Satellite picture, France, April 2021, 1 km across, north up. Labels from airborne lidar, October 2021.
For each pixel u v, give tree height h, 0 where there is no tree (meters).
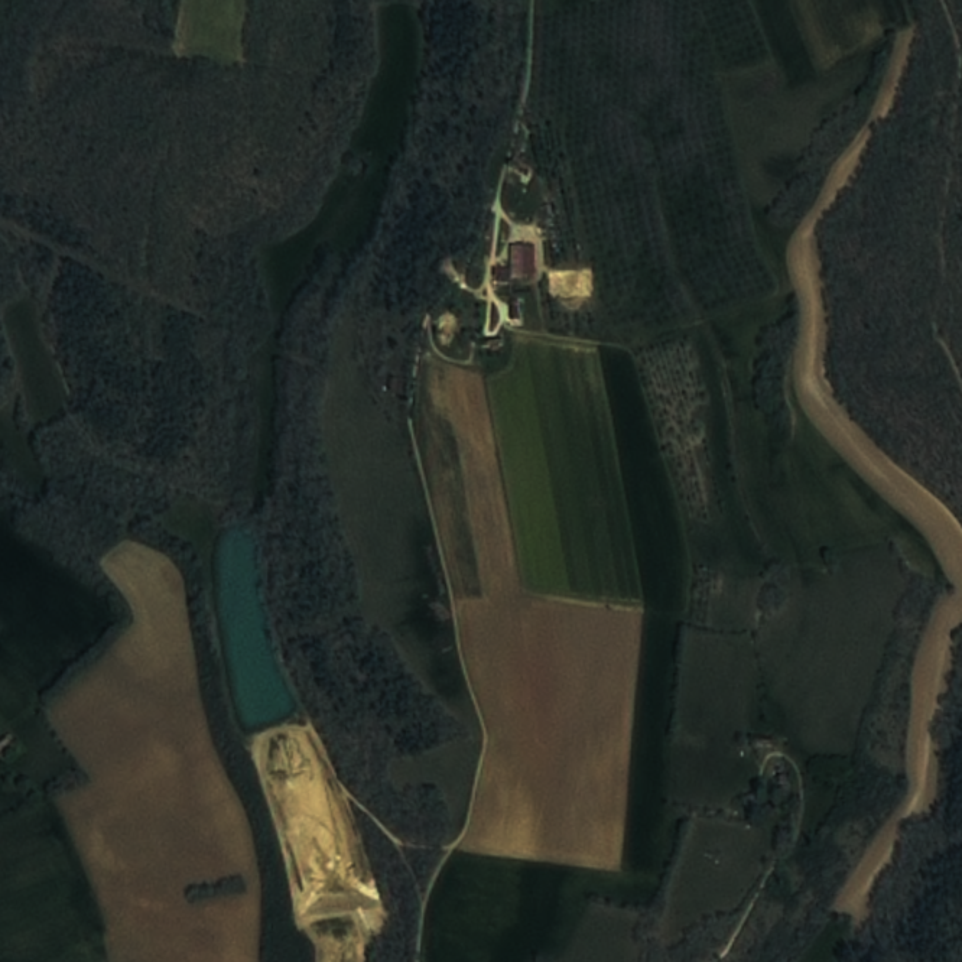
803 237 0
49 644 0
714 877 0
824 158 15
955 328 10
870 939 7
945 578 0
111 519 11
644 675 0
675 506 0
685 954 16
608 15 9
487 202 11
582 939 0
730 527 0
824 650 0
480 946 0
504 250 0
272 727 0
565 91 7
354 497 0
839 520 0
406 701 12
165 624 0
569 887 0
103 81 13
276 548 15
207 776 0
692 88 8
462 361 0
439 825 13
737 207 7
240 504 10
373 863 7
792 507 0
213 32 0
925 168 7
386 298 7
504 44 8
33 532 21
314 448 14
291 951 5
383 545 0
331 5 13
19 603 0
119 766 0
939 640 0
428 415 0
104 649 7
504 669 0
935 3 9
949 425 8
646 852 0
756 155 0
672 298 12
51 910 0
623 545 0
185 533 0
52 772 0
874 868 0
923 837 18
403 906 12
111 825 0
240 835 0
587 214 7
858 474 0
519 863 0
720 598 0
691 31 8
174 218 15
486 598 0
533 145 9
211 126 9
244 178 8
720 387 0
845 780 6
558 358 0
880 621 0
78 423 15
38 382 0
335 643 9
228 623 0
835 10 0
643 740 0
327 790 0
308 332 8
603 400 0
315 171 14
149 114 10
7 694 0
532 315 0
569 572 0
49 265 11
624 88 9
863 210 8
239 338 18
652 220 11
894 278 10
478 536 0
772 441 0
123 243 9
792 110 0
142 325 8
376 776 11
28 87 11
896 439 8
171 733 0
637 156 9
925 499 0
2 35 13
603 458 0
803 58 0
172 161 10
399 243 13
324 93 8
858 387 9
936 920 13
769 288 8
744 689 0
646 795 0
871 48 0
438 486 0
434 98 8
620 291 7
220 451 15
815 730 0
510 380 0
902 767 0
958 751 11
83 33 10
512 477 0
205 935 0
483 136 8
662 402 7
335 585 12
